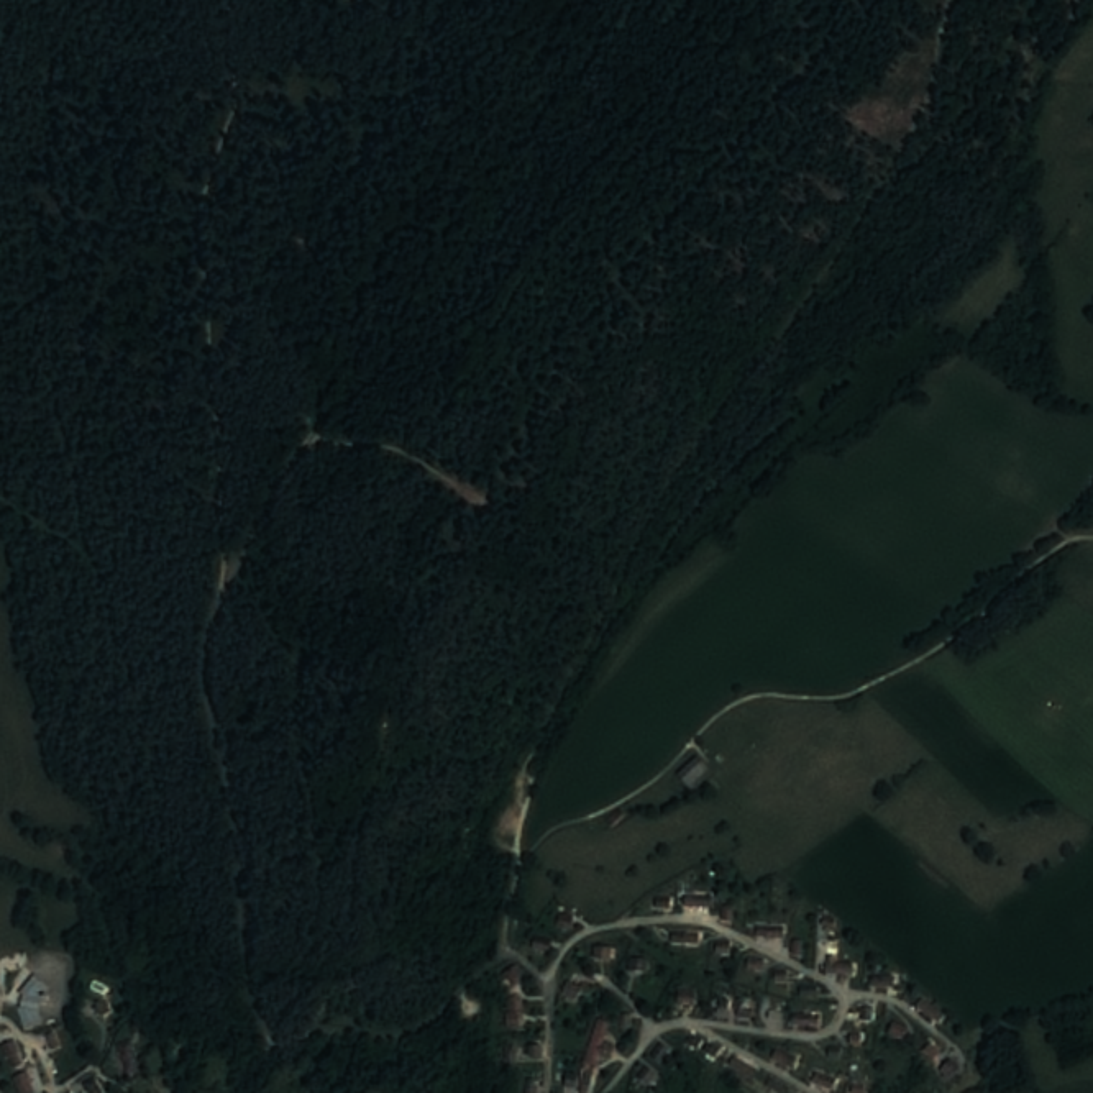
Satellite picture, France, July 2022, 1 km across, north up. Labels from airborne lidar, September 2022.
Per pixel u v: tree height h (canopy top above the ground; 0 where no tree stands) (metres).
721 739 0
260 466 21
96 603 17
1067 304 0
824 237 21
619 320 25
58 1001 0
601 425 28
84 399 15
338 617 21
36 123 18
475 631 10
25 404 21
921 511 0
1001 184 15
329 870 7
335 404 16
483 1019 6
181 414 25
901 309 16
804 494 0
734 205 21
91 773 20
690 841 6
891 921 0
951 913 0
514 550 21
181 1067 11
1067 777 0
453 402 12
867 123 0
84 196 41
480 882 19
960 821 0
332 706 32
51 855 0
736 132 21
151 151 27
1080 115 0
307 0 24
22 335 19
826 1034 0
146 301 10
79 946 8
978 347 13
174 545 21
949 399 0
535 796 14
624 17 28
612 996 12
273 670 26
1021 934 0
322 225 37
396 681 13
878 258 13
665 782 0
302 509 15
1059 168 0
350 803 9
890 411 9
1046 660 0
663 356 11
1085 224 0
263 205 18
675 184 17
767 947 0
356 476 16
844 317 20
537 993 11
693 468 18
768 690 0
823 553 0
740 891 8
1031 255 15
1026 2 20
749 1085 0
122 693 20
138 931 16
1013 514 0
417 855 35
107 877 19
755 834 0
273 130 31
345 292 31
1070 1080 0
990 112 21
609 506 29
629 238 20
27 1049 0
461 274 10
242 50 27
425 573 25
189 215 18
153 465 23
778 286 9
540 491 19
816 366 21
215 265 19
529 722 7
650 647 0
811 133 21
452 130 37
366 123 32
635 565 19
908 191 22
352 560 24
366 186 32
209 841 21
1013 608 16
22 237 12
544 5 29
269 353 24
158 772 19
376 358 27
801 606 0
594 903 0
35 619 17
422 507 20
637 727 0
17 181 21
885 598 0
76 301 11
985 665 0
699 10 24
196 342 27
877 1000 0
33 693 10
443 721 23
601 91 20
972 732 0
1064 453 0
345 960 18
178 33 25
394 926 24
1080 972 0
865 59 23
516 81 17
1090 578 0
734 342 16
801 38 25
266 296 26
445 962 33
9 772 0
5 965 0
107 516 19
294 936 14
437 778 30
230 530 25
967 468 0
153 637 19
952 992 0
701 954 0
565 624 34
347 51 28
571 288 8
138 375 21
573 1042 0
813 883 0
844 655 0
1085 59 0
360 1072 16
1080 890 0
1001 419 0
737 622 0
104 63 19
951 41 22
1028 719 0
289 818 23
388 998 19
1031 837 0
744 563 0
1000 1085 13
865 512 0
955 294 27
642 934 14
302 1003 22
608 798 0
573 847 0
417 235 20
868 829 0
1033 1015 16
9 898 0
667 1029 0
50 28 23
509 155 13
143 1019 22
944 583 0
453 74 33
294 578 23
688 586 0
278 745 28
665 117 19
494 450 19
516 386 16
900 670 0
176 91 26
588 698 10
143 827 17
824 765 0
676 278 19
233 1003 19
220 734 17
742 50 22
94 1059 21
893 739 0
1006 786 0
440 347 18
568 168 28
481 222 9
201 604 19
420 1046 7
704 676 0
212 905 20
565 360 19
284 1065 12
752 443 24
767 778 0
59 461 18
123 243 23
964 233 27
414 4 28
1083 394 0
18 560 18
